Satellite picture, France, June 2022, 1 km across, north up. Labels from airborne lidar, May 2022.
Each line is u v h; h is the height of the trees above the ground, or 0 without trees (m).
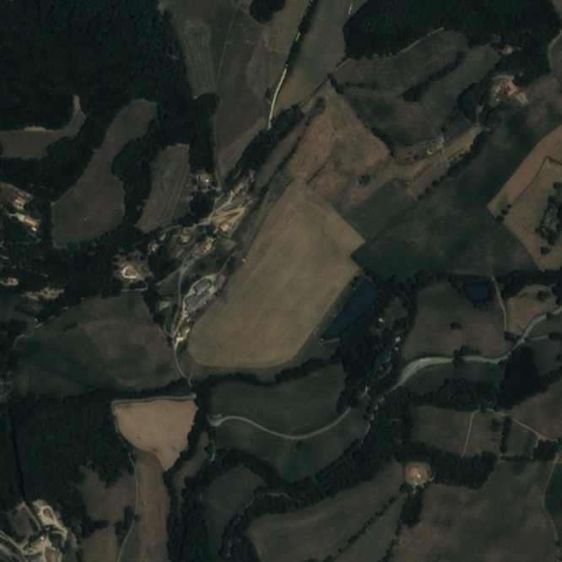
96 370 0
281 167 11
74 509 14
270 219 0
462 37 0
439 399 19
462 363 13
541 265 0
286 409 0
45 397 11
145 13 35
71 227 0
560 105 0
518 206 0
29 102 15
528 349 16
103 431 17
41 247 16
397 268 0
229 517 0
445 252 0
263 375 0
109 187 0
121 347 0
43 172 17
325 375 0
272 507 16
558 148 0
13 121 11
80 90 17
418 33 17
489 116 24
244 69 0
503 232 0
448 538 0
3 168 16
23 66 17
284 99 0
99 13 33
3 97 16
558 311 0
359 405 9
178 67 25
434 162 0
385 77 0
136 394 13
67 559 0
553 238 15
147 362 0
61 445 24
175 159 0
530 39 17
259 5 18
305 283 0
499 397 18
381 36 21
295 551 0
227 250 0
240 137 0
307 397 0
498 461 10
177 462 13
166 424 0
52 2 40
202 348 0
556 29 14
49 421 16
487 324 0
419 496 12
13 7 22
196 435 19
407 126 0
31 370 0
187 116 23
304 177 0
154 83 20
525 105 0
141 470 0
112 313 0
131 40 20
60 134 0
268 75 0
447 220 0
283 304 0
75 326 7
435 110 0
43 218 11
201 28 0
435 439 0
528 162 0
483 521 0
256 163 8
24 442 21
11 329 11
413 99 10
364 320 16
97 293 18
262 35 0
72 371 0
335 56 0
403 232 0
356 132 0
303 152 0
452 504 0
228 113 0
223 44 0
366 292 0
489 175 0
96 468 13
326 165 0
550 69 18
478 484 7
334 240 0
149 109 0
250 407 0
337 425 0
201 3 0
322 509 0
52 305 14
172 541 15
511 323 0
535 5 17
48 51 18
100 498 0
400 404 15
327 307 0
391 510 0
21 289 13
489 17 20
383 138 12
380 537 0
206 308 0
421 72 0
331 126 0
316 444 0
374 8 17
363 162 0
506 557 0
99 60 21
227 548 15
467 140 0
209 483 14
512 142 0
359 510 0
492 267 0
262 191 8
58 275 22
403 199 0
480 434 0
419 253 0
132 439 0
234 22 0
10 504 19
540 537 0
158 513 0
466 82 0
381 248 0
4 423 19
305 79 0
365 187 0
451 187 0
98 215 0
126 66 18
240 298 0
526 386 24
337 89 12
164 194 0
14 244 9
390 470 0
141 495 0
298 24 0
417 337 0
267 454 0
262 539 0
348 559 0
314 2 13
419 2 23
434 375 0
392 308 0
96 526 15
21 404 18
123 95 21
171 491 15
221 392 0
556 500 0
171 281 0
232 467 14
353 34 18
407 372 0
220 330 0
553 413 0
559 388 0
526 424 0
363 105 0
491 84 12
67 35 21
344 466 16
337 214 0
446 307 0
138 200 14
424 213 0
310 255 0
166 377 0
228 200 0
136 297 0
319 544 0
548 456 13
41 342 0
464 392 19
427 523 0
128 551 0
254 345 0
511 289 24
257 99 0
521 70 13
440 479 13
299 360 0
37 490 23
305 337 0
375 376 13
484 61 0
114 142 0
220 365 0
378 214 0
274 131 7
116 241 15
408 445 14
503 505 0
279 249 0
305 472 0
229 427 0
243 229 0
